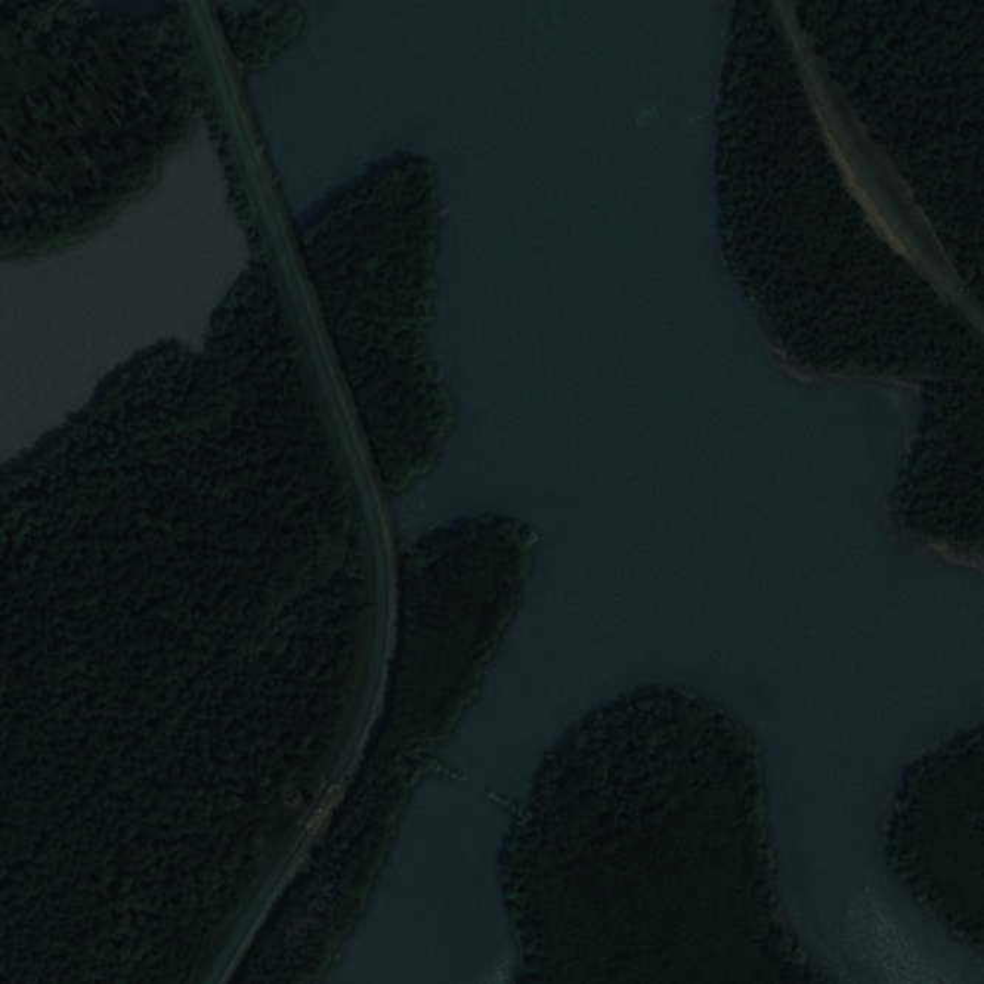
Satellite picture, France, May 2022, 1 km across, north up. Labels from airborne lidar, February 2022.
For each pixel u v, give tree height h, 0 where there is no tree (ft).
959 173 71
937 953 0
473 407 0
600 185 0
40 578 84
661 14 0
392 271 70
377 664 0
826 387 0
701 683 0
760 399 0
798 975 83
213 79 0
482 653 57
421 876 0
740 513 0
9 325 0
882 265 46
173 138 66
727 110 48
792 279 22
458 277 0
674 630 0
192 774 87
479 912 0
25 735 87
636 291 0
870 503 0
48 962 69
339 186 0
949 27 80
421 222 83
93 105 0
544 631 0
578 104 0
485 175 0
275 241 0
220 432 106
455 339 0
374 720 0
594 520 0
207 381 90
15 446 0
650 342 0
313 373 0
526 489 0
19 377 0
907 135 68
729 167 50
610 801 90
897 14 58
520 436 0
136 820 88
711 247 0
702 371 0
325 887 79
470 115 0
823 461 0
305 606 53
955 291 0
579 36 0
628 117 0
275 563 94
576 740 64
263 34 58
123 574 92
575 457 0
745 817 67
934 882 24
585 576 0
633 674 0
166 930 79
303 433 78
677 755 93
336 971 0
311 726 95
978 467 73
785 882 0
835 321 51
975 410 22
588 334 0
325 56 0
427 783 0
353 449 0
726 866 57
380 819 72
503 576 50
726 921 56
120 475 84
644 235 0
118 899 91
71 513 105
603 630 0
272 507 68
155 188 0
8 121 0
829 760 0
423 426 77
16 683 82
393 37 0
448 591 64
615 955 49
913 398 0
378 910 0
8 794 81
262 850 0
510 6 0
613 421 0
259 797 101
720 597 0
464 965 0
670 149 0
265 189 0
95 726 60
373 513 0
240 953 0
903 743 0
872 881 0
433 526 0
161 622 93
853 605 0
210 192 0
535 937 48
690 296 0
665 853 55
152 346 0
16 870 71
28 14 98
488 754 0
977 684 0
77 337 0
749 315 0
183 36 51
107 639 87
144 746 89
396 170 66
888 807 0
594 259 0
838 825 0
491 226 0
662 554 0
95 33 101
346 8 0
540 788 61
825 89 0
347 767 0
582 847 82
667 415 0
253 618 90
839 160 0
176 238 0
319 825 0
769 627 0
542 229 0
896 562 0
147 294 0
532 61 0
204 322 0
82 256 0
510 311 0
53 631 81
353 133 0
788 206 58
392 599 0
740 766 80
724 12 0
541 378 0
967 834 44
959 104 76
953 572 0
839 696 0
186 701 92
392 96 0
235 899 77
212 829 98
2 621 88
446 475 0
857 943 0
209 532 100
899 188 0
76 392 0
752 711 0
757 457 0
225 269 0
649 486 0
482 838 0
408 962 0
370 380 96
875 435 0
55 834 65
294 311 0
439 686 60
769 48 38
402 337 95
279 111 0
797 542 0
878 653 0
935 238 0
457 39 0
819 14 73
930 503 63
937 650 0
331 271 93
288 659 91
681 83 0
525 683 0
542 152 0
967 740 61
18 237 81
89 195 69
